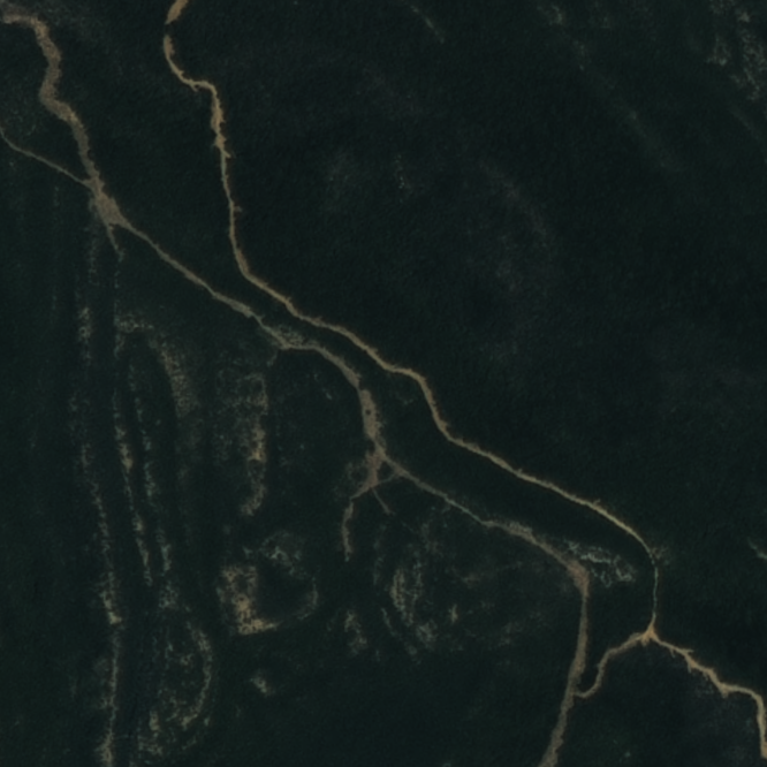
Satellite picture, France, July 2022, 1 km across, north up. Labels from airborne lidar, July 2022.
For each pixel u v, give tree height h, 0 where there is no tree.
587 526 6
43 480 7
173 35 8
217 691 7
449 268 6
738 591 10
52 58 0
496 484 7
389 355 6
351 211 7
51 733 6
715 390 6
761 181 6
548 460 6
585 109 8
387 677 6
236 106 6
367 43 7
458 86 6
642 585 8
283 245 9
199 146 8
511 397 8
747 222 10
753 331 7
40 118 6
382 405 9
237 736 5
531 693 7
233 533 5
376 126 7
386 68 5
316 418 6
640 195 6
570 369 8
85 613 6
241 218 10
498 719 6
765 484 6
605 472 7
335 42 6
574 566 0
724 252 10
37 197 7
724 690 0
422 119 6
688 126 6
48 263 5
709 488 10
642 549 7
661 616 6
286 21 9
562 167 8
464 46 11
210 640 6
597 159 6
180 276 7
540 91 8
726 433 9
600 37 6
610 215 7
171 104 6
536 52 7
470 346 8
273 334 0
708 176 8
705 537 10
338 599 6
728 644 8
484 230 6
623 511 5
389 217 6
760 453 7
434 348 8
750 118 5
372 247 6
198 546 7
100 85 9
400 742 6
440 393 6
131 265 6
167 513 6
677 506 10
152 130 7
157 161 8
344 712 8
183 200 9
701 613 8
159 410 5
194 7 7
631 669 6
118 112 8
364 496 7
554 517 7
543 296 7
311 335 8
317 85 6
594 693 6
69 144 7
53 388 7
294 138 12
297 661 5
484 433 9
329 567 7
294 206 7
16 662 6
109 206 0
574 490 5
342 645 7
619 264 6
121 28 12
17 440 6
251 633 9
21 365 8
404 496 5
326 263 7
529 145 8
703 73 6
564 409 8
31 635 7
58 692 5
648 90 5
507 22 8
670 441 9
